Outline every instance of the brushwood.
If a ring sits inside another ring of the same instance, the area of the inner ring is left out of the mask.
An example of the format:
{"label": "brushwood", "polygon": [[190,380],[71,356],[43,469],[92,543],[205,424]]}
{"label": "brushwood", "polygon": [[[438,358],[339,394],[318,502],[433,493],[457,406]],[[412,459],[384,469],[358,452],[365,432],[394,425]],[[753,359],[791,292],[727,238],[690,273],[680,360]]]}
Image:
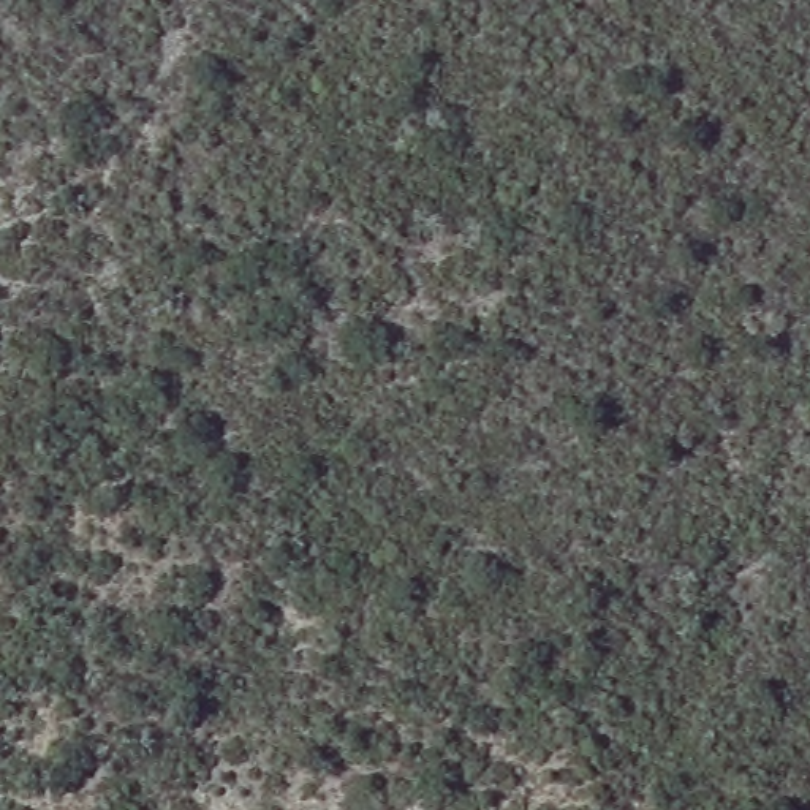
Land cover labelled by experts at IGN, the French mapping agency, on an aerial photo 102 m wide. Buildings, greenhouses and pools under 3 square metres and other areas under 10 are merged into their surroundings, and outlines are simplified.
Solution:
{"label": "brushwood", "polygon": [[810,810],[810,0],[0,0],[0,810]]}

